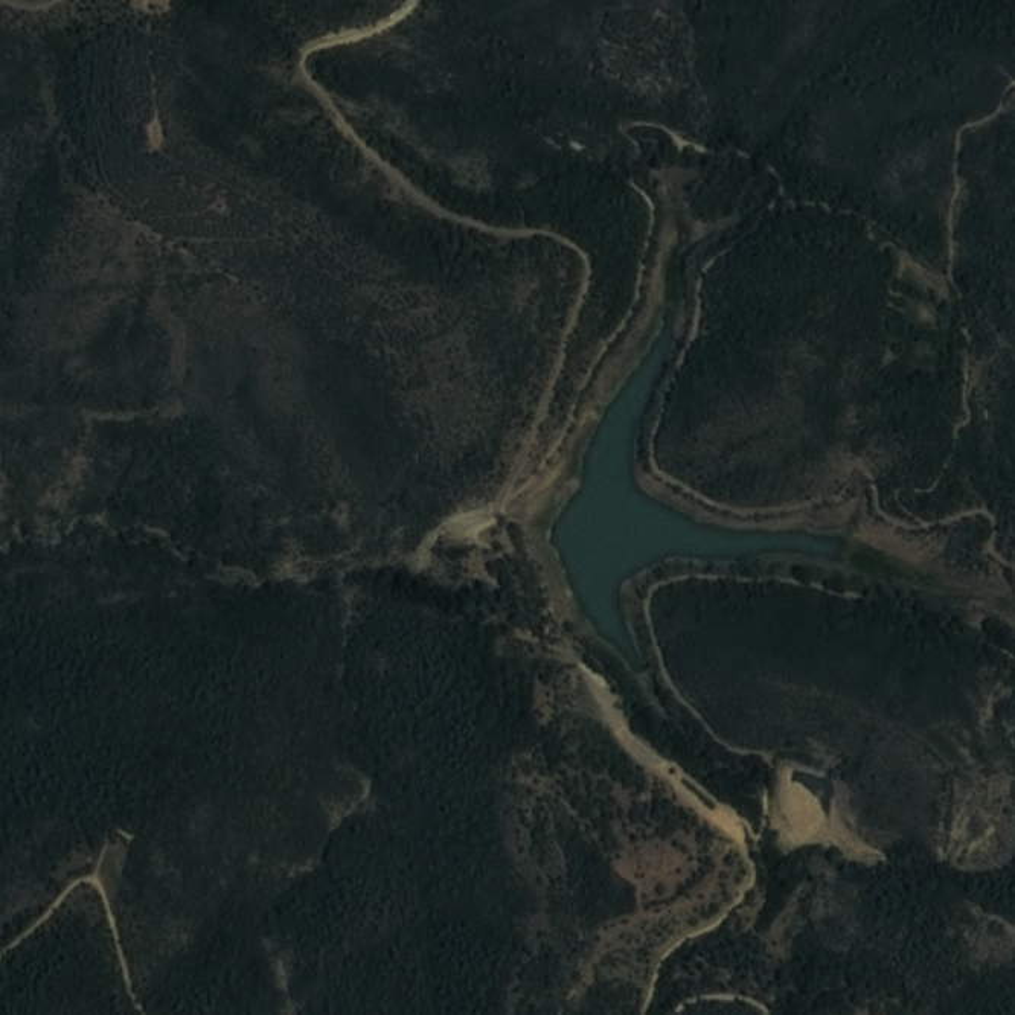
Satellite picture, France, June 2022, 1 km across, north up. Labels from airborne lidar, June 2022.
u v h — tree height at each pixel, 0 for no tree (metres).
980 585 0
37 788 15
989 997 9
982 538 10
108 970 6
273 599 11
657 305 0
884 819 0
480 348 7
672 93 6
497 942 6
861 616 12
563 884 7
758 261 15
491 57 14
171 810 6
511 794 7
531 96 7
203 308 0
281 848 9
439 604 10
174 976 7
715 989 18
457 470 8
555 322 10
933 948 14
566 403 11
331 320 8
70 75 5
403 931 10
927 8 12
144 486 7
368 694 8
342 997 5
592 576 0
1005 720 6
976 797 0
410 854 6
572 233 9
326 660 7
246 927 6
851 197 13
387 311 7
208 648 8
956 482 7
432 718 7
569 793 11
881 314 8
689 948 9
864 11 13
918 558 0
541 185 9
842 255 11
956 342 9
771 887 9
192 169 7
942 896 18
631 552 0
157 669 12
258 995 8
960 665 5
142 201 6
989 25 12
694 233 0
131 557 13
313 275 8
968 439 6
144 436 7
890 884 18
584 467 0
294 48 13
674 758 7
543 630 16
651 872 0
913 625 12
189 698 8
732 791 12
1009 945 0
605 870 9
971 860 0
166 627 10
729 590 12
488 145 6
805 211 11
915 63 6
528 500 0
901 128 8
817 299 8
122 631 9
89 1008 6
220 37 7
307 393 0
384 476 7
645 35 8
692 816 6
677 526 0
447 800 7
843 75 12
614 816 10
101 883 0
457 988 8
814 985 13
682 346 8
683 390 7
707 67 6
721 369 9
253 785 6
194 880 8
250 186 7
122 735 6
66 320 0
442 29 7
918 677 6
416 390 8
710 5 7
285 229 6
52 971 13
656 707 16
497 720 13
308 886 8
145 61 8
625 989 8
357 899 11
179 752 7
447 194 11
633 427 0
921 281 0
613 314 8
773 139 6
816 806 0
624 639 0
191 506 11
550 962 8
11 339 6
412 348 7
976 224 7
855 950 8
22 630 7
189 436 11
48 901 0
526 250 8
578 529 0
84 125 8
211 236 7
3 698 7
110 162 8
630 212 9
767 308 8
